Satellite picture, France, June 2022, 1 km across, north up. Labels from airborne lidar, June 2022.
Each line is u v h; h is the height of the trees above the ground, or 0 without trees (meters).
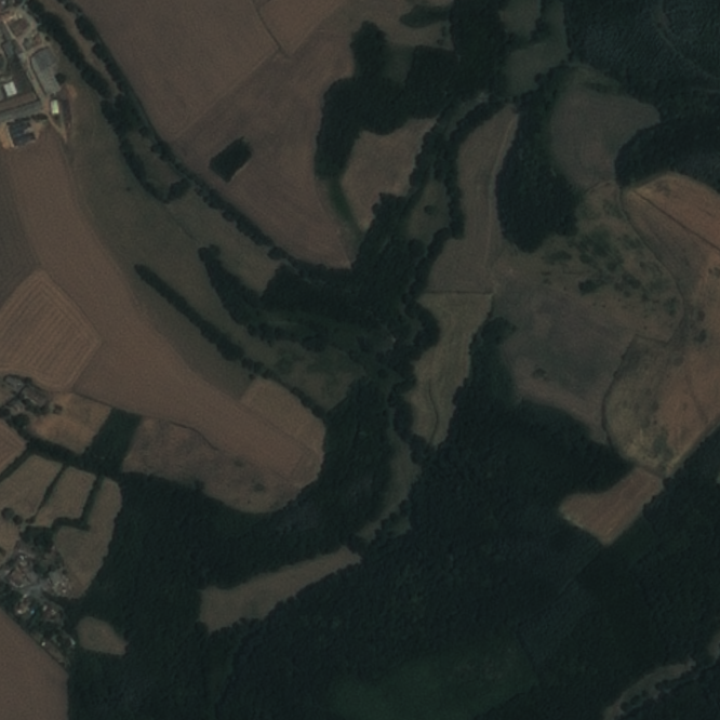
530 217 19
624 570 9
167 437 0
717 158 18
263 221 0
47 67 0
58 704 0
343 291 11
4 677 0
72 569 0
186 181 10
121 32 0
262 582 0
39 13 14
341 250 0
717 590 24
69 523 8
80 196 0
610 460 16
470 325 0
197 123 0
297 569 0
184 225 0
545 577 22
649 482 0
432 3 0
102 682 12
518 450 11
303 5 0
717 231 0
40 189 0
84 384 0
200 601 19
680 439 0
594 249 0
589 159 0
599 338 0
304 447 0
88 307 0
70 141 0
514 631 12
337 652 20
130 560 10
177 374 0
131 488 20
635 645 10
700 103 24
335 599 22
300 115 0
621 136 0
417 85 10
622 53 11
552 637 18
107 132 0
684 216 0
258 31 0
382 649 12
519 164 26
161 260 0
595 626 17
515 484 11
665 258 0
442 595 22
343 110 15
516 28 0
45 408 8
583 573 11
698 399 0
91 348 0
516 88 0
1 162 0
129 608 12
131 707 24
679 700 27
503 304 0
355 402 15
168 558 21
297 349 0
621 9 8
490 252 0
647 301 0
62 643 6
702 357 0
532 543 24
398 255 24
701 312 0
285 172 0
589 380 0
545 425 11
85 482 0
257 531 15
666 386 0
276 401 0
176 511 27
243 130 0
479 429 10
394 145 0
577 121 0
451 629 18
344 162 12
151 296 0
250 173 0
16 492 0
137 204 0
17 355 0
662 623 17
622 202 0
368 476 22
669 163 13
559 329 0
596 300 0
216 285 18
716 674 21
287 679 16
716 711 8
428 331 17
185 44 0
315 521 24
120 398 0
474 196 0
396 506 0
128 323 0
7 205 0
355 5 0
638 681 16
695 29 12
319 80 0
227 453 0
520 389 0
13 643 0
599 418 0
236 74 0
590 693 22
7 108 0
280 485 0
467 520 18
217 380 0
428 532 31
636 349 0
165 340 0
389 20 0
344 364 0
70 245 0
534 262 0
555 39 0
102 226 0
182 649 19
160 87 0
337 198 0
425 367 0
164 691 20
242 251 0
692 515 17
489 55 7
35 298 0
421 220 0
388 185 0
